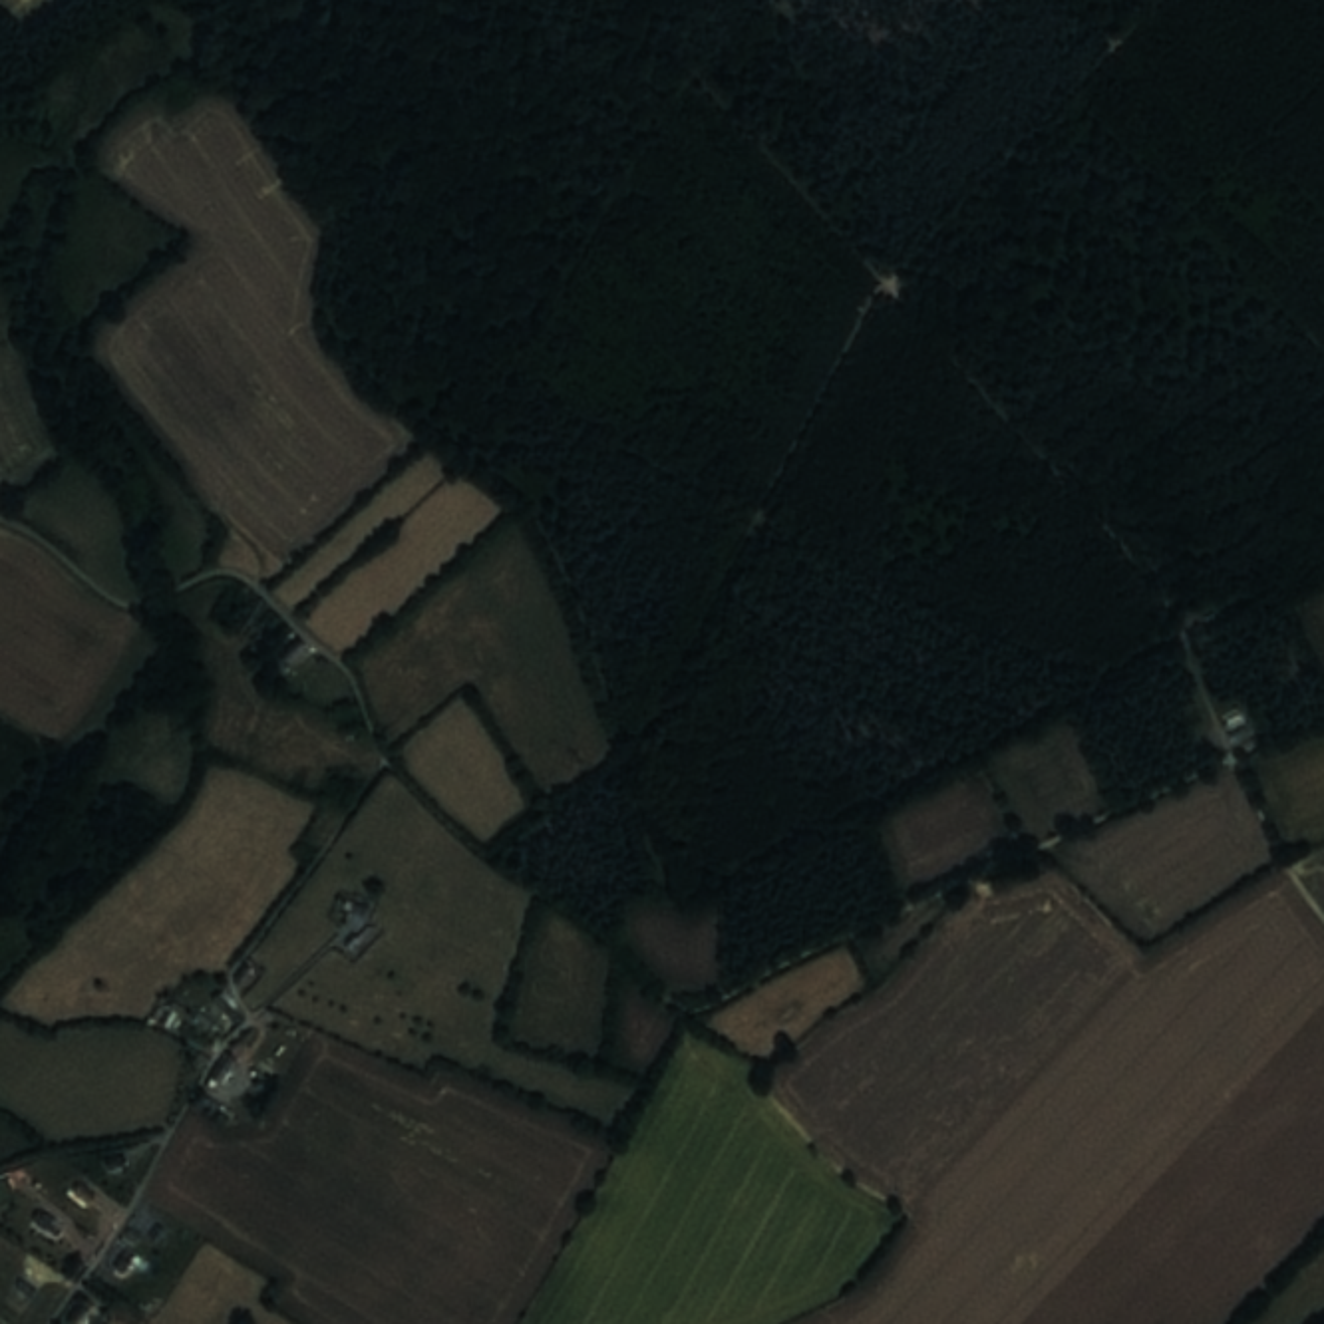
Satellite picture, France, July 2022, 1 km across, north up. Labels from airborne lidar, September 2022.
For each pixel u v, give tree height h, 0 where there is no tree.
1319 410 21
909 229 18
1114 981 0
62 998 0
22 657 0
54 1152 8
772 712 17
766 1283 0
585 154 12
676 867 20
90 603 0
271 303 0
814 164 10
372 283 13
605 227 9
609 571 15
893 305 10
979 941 0
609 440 14
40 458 0
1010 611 13
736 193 6
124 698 11
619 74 19
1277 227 6
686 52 16
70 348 11
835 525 11
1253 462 18
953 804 0
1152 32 6
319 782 0
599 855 22
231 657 0
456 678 0
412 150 21
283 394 0
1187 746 24
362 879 0
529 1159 0
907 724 20
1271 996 0
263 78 29
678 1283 0
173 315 0
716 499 15
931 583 12
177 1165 0
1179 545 14
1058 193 14
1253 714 22
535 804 12
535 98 20
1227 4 8
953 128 17
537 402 11
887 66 25
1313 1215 0
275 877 0
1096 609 13
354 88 21
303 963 0
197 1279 0
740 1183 0
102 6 24
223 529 8
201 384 0
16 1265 0
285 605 0
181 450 0
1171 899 0
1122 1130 0
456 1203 0
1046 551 8
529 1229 0
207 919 0
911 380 12
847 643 18
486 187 18
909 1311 0
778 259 7
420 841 0
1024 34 18
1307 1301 0
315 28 23
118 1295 7
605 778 9
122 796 14
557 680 0
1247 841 0
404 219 20
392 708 0
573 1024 0
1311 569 18
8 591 0
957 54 19
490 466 18
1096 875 0
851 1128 0
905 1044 0
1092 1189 0
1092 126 7
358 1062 0
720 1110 0
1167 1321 0
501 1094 7
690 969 0
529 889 13
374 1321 0
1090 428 16
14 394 0
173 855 0
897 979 0
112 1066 0
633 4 21
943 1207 0
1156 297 16
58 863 0
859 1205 0
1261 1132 0
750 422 9
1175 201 18
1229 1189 0
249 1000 0
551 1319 0
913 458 9
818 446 10
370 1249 0
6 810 14
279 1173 0
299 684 0
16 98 19
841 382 9
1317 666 14
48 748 9
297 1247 0
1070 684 25
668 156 11
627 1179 0
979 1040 0
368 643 7
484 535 7
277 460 0
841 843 22
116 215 0
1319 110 8
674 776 20
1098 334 17
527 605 0
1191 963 0
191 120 0
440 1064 7
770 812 18
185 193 0
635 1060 0
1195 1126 0
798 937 23
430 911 0
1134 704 24
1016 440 11
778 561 18
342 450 0
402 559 0
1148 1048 0
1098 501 17
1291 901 0
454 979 0
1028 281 20
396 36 18
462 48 20
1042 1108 0
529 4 16
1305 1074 0
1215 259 14
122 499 6
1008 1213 0
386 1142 0
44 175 10
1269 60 9
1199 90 9
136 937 0
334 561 0
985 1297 0
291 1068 0
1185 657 19
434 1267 0
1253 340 11
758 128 21
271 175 0
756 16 23
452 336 21
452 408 15
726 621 19
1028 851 19
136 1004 0
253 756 0
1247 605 13
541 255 17
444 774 0
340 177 19
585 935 6
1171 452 21
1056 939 0
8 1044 0
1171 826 0
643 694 19
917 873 0
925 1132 0
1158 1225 0
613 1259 0
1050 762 0
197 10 14
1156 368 8
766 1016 0
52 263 21
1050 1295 0
